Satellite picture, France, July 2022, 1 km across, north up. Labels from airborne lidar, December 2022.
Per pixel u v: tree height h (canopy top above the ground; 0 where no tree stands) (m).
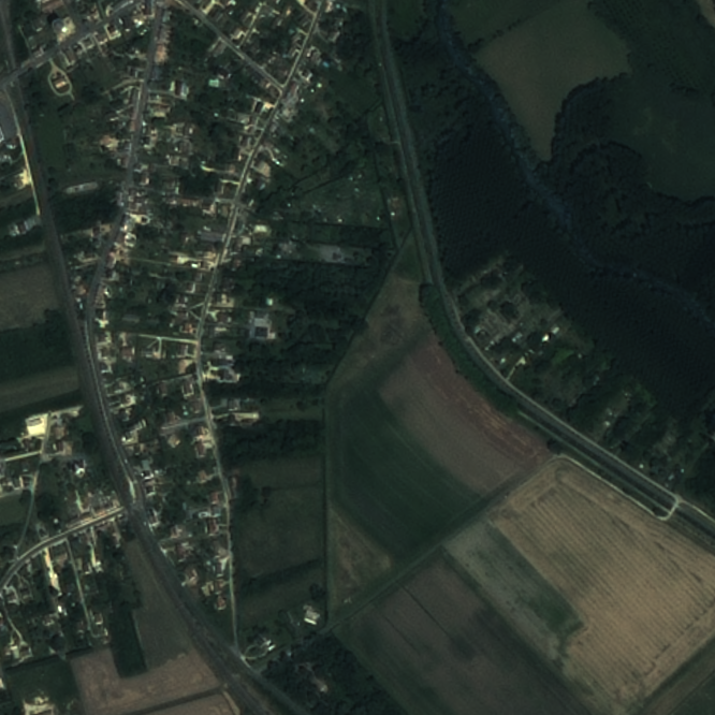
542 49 0
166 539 0
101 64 0
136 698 0
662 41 0
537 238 31
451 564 0
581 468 0
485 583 0
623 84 14
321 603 22
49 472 7
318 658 15
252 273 15
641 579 0
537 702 0
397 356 0
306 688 16
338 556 0
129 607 13
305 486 0
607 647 0
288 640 0
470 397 0
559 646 0
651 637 0
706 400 11
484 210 27
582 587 0
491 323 0
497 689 0
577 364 11
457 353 27
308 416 0
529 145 19
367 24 12
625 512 0
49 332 12
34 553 0
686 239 36
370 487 0
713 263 39
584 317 29
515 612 0
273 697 8
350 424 0
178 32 9
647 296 32
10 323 0
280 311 7
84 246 9
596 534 0
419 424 0
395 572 0
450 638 0
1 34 0
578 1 0
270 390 10
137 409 9
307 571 6
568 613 0
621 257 36
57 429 0
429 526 0
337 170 17
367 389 0
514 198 30
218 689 0
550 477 0
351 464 0
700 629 0
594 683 0
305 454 12
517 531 0
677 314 34
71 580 13
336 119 11
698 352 34
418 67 19
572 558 0
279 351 0
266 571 0
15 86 0
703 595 0
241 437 9
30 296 0
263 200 8
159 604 0
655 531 0
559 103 0
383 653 0
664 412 16
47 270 0
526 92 0
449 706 0
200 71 6
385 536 0
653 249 34
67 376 0
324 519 0
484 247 26
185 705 0
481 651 0
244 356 9
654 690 0
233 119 0
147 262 0
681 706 0
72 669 0
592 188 38
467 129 6
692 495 0
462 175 27
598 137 33
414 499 0
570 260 32
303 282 17
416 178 0
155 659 0
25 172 0
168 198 0
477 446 0
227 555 0
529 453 0
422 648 0
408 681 0
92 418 0
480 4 0
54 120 0
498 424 0
